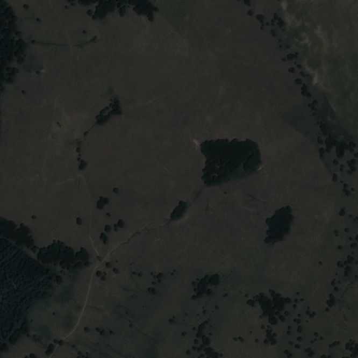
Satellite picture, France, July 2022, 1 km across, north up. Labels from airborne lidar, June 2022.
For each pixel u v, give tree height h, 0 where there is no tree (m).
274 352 0
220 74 0
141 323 0
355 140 0
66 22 0
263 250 0
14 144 0
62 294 0
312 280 0
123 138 0
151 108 0
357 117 0
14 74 12
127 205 0
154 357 0
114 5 14
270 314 9
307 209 0
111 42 0
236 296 0
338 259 0
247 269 0
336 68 0
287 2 0
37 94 0
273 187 0
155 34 0
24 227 12
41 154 0
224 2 0
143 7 13
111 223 0
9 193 0
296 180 0
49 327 0
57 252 15
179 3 0
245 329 0
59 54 0
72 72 0
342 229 0
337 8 0
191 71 0
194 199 0
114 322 0
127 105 0
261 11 0
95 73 0
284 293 0
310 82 0
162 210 0
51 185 0
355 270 0
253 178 0
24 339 0
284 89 0
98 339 0
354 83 0
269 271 0
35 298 10
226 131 0
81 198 0
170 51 0
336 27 0
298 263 0
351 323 0
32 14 0
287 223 13
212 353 9
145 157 0
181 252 0
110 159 0
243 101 0
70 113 0
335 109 0
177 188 0
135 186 0
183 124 0
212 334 7
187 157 0
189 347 0
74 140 0
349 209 0
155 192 0
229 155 14
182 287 0
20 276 21
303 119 0
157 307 0
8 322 14
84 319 0
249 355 0
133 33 0
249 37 0
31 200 0
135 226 0
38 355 0
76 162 0
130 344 0
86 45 0
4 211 0
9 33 16
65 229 0
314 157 0
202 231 0
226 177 12
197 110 0
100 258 8
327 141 7
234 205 0
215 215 0
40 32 0
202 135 0
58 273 0
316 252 0
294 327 0
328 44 0
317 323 0
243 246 0
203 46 0
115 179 0
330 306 7
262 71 0
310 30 0
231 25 0
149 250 0
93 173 0
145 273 0
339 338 0
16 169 0
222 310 0
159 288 0
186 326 0
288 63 0
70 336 0
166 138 0
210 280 9
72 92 0
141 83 0
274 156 0
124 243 0
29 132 0
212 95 0
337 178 9
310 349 9
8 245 23
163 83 0
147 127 0
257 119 0
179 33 0
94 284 0
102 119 11
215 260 0
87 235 0
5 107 0
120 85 0
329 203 0
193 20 0
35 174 0
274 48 0
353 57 0
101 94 0
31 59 0
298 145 0
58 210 0
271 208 0
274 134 0
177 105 0
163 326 0
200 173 0
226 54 0
